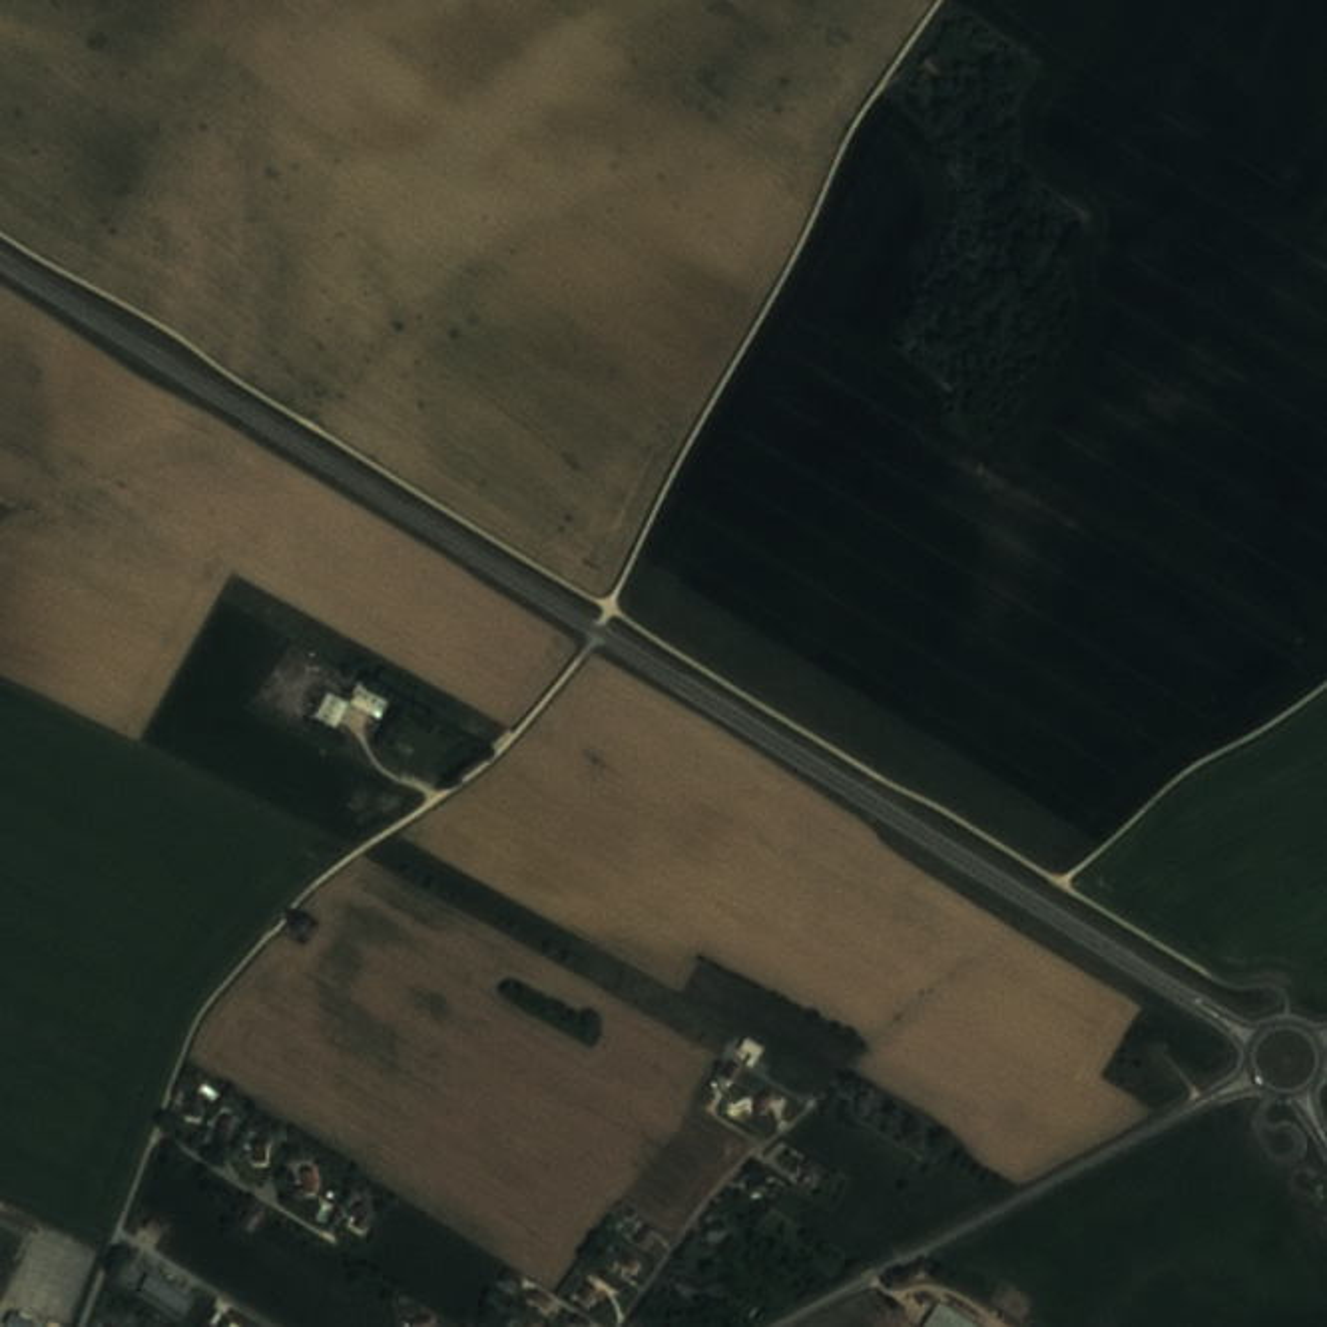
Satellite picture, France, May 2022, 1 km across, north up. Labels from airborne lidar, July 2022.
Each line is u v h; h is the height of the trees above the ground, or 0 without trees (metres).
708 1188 0
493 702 0
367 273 0
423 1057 0
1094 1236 0
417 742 0
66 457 0
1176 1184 0
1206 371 0
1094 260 0
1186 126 0
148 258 0
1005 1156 0
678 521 0
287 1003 0
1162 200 0
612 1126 0
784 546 0
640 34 0
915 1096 0
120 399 0
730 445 0
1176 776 0
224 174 0
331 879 0
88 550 0
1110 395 0
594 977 0
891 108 0
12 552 0
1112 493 0
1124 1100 0
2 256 0
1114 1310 0
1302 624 0
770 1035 0
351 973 0
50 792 0
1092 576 0
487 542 0
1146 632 0
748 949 0
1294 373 0
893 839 0
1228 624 0
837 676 0
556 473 0
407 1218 0
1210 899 0
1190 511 0
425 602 0
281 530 0
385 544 0
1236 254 0
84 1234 0
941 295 24
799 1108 0
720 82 0
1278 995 0
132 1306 6
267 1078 0
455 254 0
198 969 0
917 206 0
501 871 0
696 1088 0
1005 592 0
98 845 0
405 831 0
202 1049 0
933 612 0
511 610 0
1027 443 0
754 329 0
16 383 0
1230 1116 0
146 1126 0
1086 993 0
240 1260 0
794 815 0
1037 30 0
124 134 0
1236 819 0
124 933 0
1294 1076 0
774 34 0
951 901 0
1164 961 0
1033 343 20
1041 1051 0
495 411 0
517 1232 0
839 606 0
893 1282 12
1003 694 0
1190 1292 0
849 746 0
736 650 0
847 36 0
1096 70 0
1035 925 0
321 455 0
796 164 0
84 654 0
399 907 0
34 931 0
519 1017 0
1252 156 0
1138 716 0
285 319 0
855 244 0
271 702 0
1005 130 22
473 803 0
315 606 0
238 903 0
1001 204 22
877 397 0
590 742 0
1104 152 0
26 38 0
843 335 0
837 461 0
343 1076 0
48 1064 0
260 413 0
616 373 0
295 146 0
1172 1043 0
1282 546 0
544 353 0
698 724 0
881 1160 0
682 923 0
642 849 0
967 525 0
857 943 0
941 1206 0
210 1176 8
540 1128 0
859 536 0
